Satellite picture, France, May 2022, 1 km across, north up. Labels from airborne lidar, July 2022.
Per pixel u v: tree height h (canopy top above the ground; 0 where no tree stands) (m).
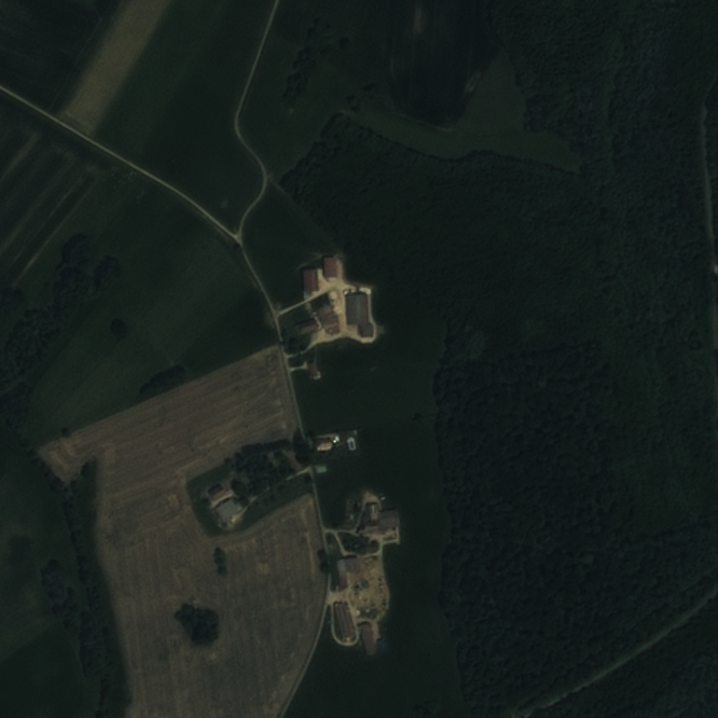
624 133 30
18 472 0
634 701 11
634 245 21
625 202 28
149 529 0
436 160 12
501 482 30
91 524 0
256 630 0
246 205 0
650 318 24
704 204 12
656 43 20
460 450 25
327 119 0
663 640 8
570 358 30
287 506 0
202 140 0
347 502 0
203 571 0
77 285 28
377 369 0
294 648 0
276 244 0
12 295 18
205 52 0
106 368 0
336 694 0
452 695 0
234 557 0
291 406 0
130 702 0
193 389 0
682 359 35
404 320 0
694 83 13
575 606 25
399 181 12
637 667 10
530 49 17
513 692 26
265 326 0
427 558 0
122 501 0
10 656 0
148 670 0
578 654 22
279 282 0
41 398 0
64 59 0
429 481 0
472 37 0
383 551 0
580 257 21
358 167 13
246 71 0
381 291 0
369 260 12
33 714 0
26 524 0
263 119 0
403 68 0
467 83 0
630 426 16
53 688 0
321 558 12
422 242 10
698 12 13
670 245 18
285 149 0
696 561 23
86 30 0
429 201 12
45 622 0
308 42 8
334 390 0
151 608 0
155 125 0
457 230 11
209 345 0
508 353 13
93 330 0
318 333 0
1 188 0
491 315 17
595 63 26
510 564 27
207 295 0
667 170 20
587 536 27
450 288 14
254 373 0
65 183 0
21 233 0
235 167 0
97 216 0
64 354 0
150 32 0
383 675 0
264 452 16
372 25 0
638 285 23
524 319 18
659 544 22
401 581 0
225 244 0
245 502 8
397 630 0
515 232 14
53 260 0
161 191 0
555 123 17
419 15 0
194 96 0
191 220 0
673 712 24
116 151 0
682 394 24
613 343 21
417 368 0
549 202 22
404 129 0
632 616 24
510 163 16
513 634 27
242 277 0
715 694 29
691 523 16
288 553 0
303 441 14
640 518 13
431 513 0
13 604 0
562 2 25
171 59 0
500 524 31
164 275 0
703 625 9
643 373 22
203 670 0
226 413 0
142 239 0
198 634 19
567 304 20
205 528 0
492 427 32
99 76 0
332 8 0
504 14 16
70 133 0
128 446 0
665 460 20
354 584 0
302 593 0
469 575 27
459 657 9
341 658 0
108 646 26
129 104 0
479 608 25
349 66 0
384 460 0
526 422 28
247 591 0
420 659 0
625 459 21
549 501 27
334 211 12
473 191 13
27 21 0
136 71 0
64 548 0
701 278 26
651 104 20
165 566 0
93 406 0
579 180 16
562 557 29
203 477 0
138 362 0
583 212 13
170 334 0
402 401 0
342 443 0
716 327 0
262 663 0
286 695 0
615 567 25
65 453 0
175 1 0
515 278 14
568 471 30
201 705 0
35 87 0
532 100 12
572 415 21
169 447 0
